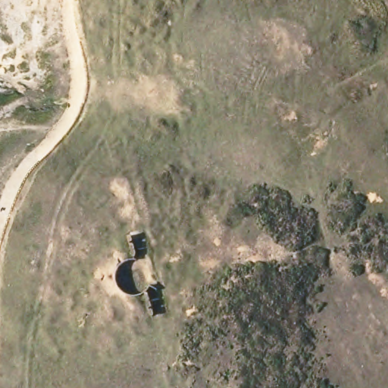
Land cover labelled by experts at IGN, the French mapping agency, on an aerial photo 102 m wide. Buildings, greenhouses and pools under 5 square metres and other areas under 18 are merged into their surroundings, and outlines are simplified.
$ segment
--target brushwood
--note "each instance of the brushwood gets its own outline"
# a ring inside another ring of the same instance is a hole
[[[242,385],[239,388],[300,388],[312,370],[308,361],[317,347],[314,341],[315,332],[309,327],[306,317],[323,312],[327,308],[327,303],[321,302],[317,297],[324,289],[318,276],[326,273],[327,276],[332,276],[333,270],[330,265],[330,252],[326,249],[318,223],[318,212],[314,208],[300,206],[294,206],[293,197],[285,189],[279,186],[259,185],[255,191],[259,208],[253,208],[249,203],[236,205],[244,217],[262,215],[264,226],[277,244],[283,239],[291,238],[291,235],[297,236],[296,252],[299,262],[293,265],[293,268],[279,271],[277,261],[262,262],[262,273],[258,277],[241,280],[241,285],[229,289],[227,305],[239,326],[232,333],[241,344],[241,350],[230,359],[230,364],[238,365],[241,370]]]

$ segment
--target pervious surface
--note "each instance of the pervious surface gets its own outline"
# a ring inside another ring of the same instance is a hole
[[[35,15],[33,18],[33,24],[30,26],[32,41],[24,38],[21,23],[27,20],[30,11],[35,11],[38,3],[45,5],[45,0],[0,0],[0,9],[3,23],[8,26],[8,33],[12,38],[11,44],[6,44],[6,50],[17,52],[15,58],[0,58],[0,64],[9,67],[21,64],[24,53],[36,53],[44,44],[41,32],[44,26],[42,17]]]
[[[33,167],[58,144],[59,139],[74,123],[85,97],[86,79],[79,42],[83,32],[77,0],[64,0],[65,39],[70,52],[70,108],[61,117],[55,115],[47,124],[27,124],[26,121],[15,120],[12,112],[18,106],[27,105],[27,99],[17,99],[0,108],[0,132],[35,130],[44,133],[47,138],[26,156],[20,167],[12,171],[11,179],[6,182],[0,199],[0,236],[18,188]]]

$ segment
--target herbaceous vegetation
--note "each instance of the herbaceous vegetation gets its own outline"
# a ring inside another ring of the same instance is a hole
[[[26,156],[47,138],[44,133],[35,130],[0,132],[0,167],[3,165],[3,156],[24,153]]]
[[[262,273],[262,262],[236,264],[235,268],[229,264],[221,264],[215,268],[202,268],[196,258],[183,252],[179,262],[170,262],[171,256],[174,255],[177,232],[185,233],[189,244],[197,244],[197,230],[206,227],[209,218],[214,215],[217,215],[221,224],[232,229],[239,226],[244,217],[236,205],[249,203],[253,208],[259,208],[255,191],[259,185],[279,186],[285,189],[293,197],[294,206],[300,206],[305,196],[312,196],[314,192],[321,191],[324,194],[332,191],[338,194],[335,205],[330,206],[330,221],[327,226],[333,233],[344,233],[361,227],[361,233],[349,239],[352,255],[367,252],[374,273],[380,274],[388,282],[388,0],[77,0],[83,32],[79,42],[86,79],[105,76],[108,80],[138,80],[141,74],[152,79],[165,74],[176,83],[179,94],[180,112],[174,115],[179,130],[173,132],[162,126],[161,118],[164,117],[145,106],[135,105],[126,111],[117,112],[112,109],[108,100],[88,105],[85,120],[79,124],[74,123],[59,139],[58,144],[33,167],[38,170],[35,182],[30,188],[23,209],[15,215],[14,224],[9,232],[3,264],[3,285],[0,291],[0,388],[189,388],[192,377],[189,377],[189,374],[200,371],[200,367],[186,365],[186,361],[199,359],[203,330],[211,333],[211,341],[217,341],[218,336],[232,333],[239,326],[227,305],[229,289],[241,285],[241,280],[258,277]],[[286,74],[282,73],[276,59],[277,47],[274,45],[273,36],[265,35],[264,29],[259,26],[261,18],[283,18],[305,27],[306,44],[312,48],[311,55],[305,56],[306,71],[289,70]],[[332,120],[336,120],[336,138],[330,139],[321,147],[317,156],[311,156],[315,141],[308,133],[315,130],[332,130]],[[121,217],[123,200],[118,199],[111,191],[111,182],[115,177],[127,180],[130,194],[135,192],[135,182],[141,182],[142,196],[149,208],[149,223],[136,223],[135,220]],[[156,315],[153,326],[147,326],[141,308],[136,305],[133,309],[133,323],[126,323],[124,311],[114,308],[112,317],[102,326],[97,326],[92,323],[92,318],[97,311],[97,303],[86,303],[82,300],[83,294],[89,294],[89,280],[94,277],[95,268],[102,267],[109,258],[112,258],[114,249],[123,253],[124,261],[135,255],[133,236],[145,233],[149,241],[145,258],[149,258],[152,264],[153,282],[162,285],[165,312]]]

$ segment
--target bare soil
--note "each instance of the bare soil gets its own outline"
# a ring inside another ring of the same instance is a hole
[[[308,133],[315,141],[311,156],[317,156],[321,147],[330,139],[336,138],[336,120],[332,120],[332,130],[315,130]]]
[[[38,3],[35,11],[30,11],[27,20],[21,23],[24,38],[32,41],[30,26],[33,24],[33,18],[35,15],[42,17],[44,26],[41,32],[44,44],[36,53],[24,53],[21,64],[9,67],[0,64],[0,108],[17,99],[27,99],[27,105],[18,106],[12,112],[15,120],[26,121],[27,124],[47,124],[55,115],[61,117],[70,108],[70,52],[65,39],[64,0],[45,0],[45,5]]]
[[[11,44],[12,38],[8,33],[8,26],[3,23],[0,9],[0,58],[15,58],[17,52],[6,50],[6,44]]]
[[[0,236],[0,291],[3,285],[3,264],[9,232],[14,224],[15,215],[23,209],[30,188],[35,182],[38,170],[33,167],[18,188]]]
[[[142,196],[141,182],[135,182],[135,192],[130,194],[127,180],[115,177],[111,182],[111,191],[118,199],[123,200],[121,217],[135,220],[136,223],[149,223],[149,208]]]
[[[112,317],[114,308],[124,311],[126,323],[133,323],[133,309],[136,305],[132,297],[117,285],[115,279],[118,267],[124,261],[123,253],[114,249],[112,258],[109,258],[102,267],[95,268],[94,277],[89,280],[89,294],[83,294],[82,300],[86,303],[97,303],[97,311],[92,318],[92,323],[97,326],[102,326]]]
[[[141,74],[138,80],[108,80],[105,76],[86,79],[85,97],[74,123],[79,124],[85,120],[88,105],[108,100],[112,109],[117,112],[126,111],[135,105],[145,106],[164,117],[161,118],[162,126],[173,132],[179,130],[174,115],[180,112],[179,94],[176,83],[165,74],[152,79]]]
[[[293,268],[293,265],[299,262],[296,252],[297,236],[291,235],[291,238],[283,239],[277,244],[264,226],[262,215],[244,217],[239,226],[232,229],[221,224],[217,215],[214,215],[209,218],[206,227],[197,230],[197,244],[189,244],[185,233],[177,232],[174,255],[171,256],[170,262],[179,262],[183,252],[196,258],[202,268],[215,268],[221,264],[229,264],[235,268],[236,264],[262,262],[277,261],[279,271]]]
[[[189,374],[189,377],[192,377],[189,388],[239,388],[242,385],[241,370],[238,365],[230,364],[230,359],[241,350],[241,344],[232,333],[218,336],[217,341],[211,341],[211,333],[203,330],[199,359],[186,361],[186,365],[200,367],[200,371]]]
[[[20,167],[26,156],[24,153],[3,156],[3,165],[0,167],[0,199],[6,182],[11,179],[12,171]]]
[[[314,341],[317,347],[308,361],[312,370],[300,388],[388,388],[388,282],[380,274],[374,273],[367,252],[352,255],[349,239],[361,233],[361,227],[344,233],[333,233],[327,226],[330,221],[330,206],[335,205],[338,194],[332,191],[324,194],[321,191],[314,192],[312,196],[305,196],[300,206],[314,208],[318,212],[318,223],[326,249],[330,252],[330,265],[333,270],[332,276],[327,276],[326,273],[318,276],[324,289],[317,297],[321,302],[327,303],[327,308],[323,312],[306,317],[309,327],[315,332]]]
[[[259,26],[264,29],[265,35],[273,36],[274,45],[277,47],[276,59],[282,73],[286,74],[289,70],[306,71],[305,56],[311,55],[312,48],[306,44],[305,27],[283,18],[261,18]]]

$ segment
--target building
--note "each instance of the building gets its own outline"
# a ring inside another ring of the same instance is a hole
[[[145,233],[133,236],[135,255],[124,261],[118,267],[115,279],[117,285],[132,297],[136,305],[141,308],[147,326],[153,326],[156,315],[165,312],[162,285],[153,282],[152,264],[149,258],[145,258],[149,241]]]

